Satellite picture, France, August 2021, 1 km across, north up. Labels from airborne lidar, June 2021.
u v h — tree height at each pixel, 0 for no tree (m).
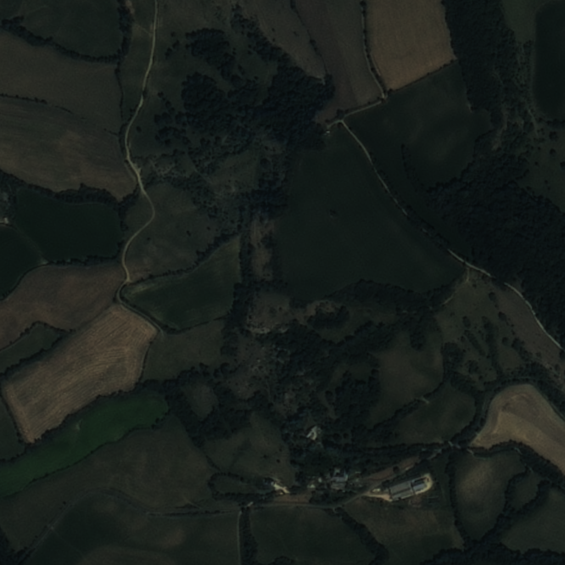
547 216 26
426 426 0
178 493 0
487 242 21
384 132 0
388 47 0
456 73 0
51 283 0
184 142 7
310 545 0
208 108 11
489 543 18
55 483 0
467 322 7
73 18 0
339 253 0
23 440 6
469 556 17
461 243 0
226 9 0
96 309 0
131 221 0
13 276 0
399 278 0
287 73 11
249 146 9
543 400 0
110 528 0
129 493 0
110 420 0
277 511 0
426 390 0
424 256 0
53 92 0
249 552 12
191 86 15
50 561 0
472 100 12
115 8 0
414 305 11
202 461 0
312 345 15
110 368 0
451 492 7
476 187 23
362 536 16
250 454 0
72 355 0
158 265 0
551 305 13
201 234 0
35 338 0
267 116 21
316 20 0
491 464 0
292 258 0
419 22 0
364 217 0
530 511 15
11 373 9
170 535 0
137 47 0
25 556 7
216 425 9
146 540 0
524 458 12
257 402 8
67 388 0
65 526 0
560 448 0
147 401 0
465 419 0
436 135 0
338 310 8
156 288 0
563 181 0
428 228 14
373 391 13
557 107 0
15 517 0
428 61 0
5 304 0
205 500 0
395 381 0
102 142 0
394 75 0
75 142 0
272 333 10
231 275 0
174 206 0
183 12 0
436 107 0
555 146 0
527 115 17
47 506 0
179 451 0
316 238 0
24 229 0
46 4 0
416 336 11
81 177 0
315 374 11
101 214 0
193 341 0
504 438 0
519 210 21
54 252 0
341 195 0
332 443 6
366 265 0
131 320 0
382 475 0
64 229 0
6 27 15
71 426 0
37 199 0
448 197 20
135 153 0
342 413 9
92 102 0
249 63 0
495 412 0
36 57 0
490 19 7
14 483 0
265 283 9
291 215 0
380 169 10
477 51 16
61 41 0
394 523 0
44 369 0
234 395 6
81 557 0
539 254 22
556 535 0
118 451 0
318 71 0
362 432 13
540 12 0
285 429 20
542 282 16
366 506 0
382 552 17
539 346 0
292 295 0
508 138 14
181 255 0
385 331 11
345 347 11
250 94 11
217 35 13
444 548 0
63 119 0
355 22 0
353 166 0
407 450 10
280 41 0
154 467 0
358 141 0
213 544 0
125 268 0
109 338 0
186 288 0
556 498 0
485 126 0
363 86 0
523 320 0
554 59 0
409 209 15
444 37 0
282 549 0
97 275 0
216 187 0
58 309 0
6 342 0
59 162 0
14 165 0
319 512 0
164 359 0
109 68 0
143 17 0
